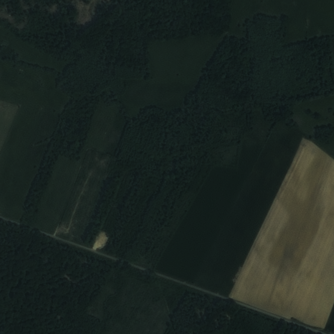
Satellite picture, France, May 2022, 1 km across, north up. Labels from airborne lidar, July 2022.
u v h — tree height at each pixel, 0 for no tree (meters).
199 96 23
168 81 0
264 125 0
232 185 0
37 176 9
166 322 0
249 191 0
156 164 15
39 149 0
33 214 10
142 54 24
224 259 0
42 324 24
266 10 0
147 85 0
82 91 25
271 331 15
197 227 0
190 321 25
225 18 30
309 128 0
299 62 21
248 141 0
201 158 8
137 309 6
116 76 26
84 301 29
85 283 23
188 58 0
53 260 25
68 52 25
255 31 24
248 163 0
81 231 0
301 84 21
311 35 0
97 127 0
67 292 20
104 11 31
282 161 0
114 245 18
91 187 0
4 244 23
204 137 28
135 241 19
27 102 0
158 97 0
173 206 17
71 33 31
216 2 30
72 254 26
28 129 0
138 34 20
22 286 29
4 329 33
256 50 24
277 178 0
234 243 0
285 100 25
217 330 24
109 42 22
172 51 0
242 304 0
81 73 24
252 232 0
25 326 23
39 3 12
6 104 0
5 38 0
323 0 0
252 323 12
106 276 27
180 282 0
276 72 22
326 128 23
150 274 27
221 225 0
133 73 21
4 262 26
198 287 0
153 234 26
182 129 32
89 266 20
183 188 8
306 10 0
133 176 8
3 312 21
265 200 0
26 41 17
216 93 23
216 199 0
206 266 0
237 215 0
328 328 0
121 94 23
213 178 0
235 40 19
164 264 0
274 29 22
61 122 8
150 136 19
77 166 0
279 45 20
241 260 0
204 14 26
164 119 23
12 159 0
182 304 21
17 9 26
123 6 29
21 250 31
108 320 7
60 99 0
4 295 30
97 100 10
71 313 17
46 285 30
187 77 0
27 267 28
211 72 22
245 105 27
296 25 0
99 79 26
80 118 10
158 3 22
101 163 0
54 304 31
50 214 0
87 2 25
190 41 0
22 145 0
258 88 27
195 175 10
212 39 0
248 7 0
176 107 0
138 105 0
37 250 29
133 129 19
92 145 0
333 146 0
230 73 21
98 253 0
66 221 0
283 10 0
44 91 0
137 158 17
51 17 26
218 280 0
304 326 0
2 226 25
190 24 23
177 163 25
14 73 0
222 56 21
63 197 0
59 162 0
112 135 0
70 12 33
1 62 0
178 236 0
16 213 0
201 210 0
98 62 21
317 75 9
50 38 9
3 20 7
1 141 0
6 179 0
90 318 15
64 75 18
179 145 31
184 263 0
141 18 23
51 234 0
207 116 28
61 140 7
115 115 0
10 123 0
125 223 15
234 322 12
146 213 20
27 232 30
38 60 0
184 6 21
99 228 20
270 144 0
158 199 21
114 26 25
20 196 0
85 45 28
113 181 28
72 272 27
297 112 0
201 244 0
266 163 0
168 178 19
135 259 20
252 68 21
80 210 0
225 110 25
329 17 0
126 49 27
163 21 18
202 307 28
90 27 29
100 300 0
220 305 27
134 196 18
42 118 0
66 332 20
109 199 20
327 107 0
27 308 29
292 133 0
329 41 16
